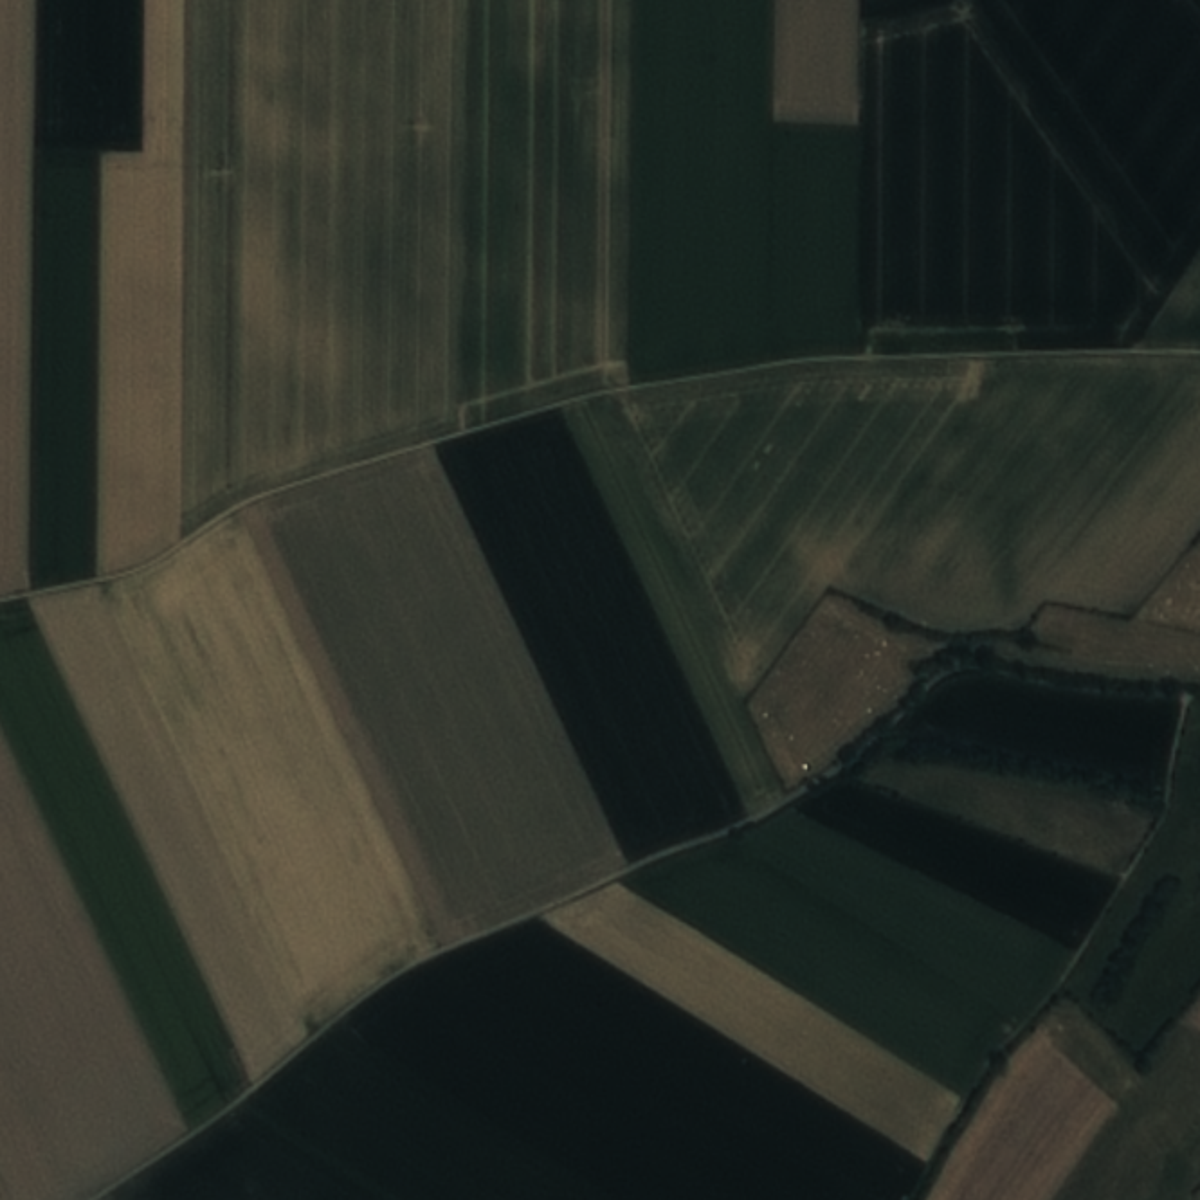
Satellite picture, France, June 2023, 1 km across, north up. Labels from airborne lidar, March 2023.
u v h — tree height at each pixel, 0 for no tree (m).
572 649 0
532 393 0
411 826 0
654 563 0
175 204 0
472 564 0
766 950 0
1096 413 0
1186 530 0
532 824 0
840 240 0
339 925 0
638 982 0
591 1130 0
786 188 0
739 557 0
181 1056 0
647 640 0
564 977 0
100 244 0
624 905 0
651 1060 0
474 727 0
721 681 0
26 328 0
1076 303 0
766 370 0
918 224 0
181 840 0
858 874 0
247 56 0
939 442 0
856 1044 0
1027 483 0
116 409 0
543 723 0
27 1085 0
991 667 18
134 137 0
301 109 0
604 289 0
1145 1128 0
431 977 0
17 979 0
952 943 0
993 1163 0
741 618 0
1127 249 0
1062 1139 0
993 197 0
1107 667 0
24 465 0
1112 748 0
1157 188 0
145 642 0
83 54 0
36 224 0
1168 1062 0
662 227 0
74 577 0
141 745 0
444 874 0
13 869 0
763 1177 0
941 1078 0
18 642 0
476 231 0
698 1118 0
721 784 0
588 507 0
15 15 0
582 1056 0
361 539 0
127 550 0
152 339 0
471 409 0
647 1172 0
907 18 0
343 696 0
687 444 0
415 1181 0
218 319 0
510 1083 0
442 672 0
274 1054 0
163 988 0
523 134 0
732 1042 0
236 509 0
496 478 0
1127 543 0
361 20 0
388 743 0
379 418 0
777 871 0
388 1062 0
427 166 0
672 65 0
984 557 0
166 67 0
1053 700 0
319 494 0
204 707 0
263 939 0
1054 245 0
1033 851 0
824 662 0
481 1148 0
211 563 0
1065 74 0
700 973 0
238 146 0
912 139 0
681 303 0
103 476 0
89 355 0
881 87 0
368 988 0
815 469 0
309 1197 0
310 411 0
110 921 0
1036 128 0
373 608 0
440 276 0
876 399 0
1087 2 0
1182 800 0
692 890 0
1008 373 0
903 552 0
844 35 0
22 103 0
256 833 0
